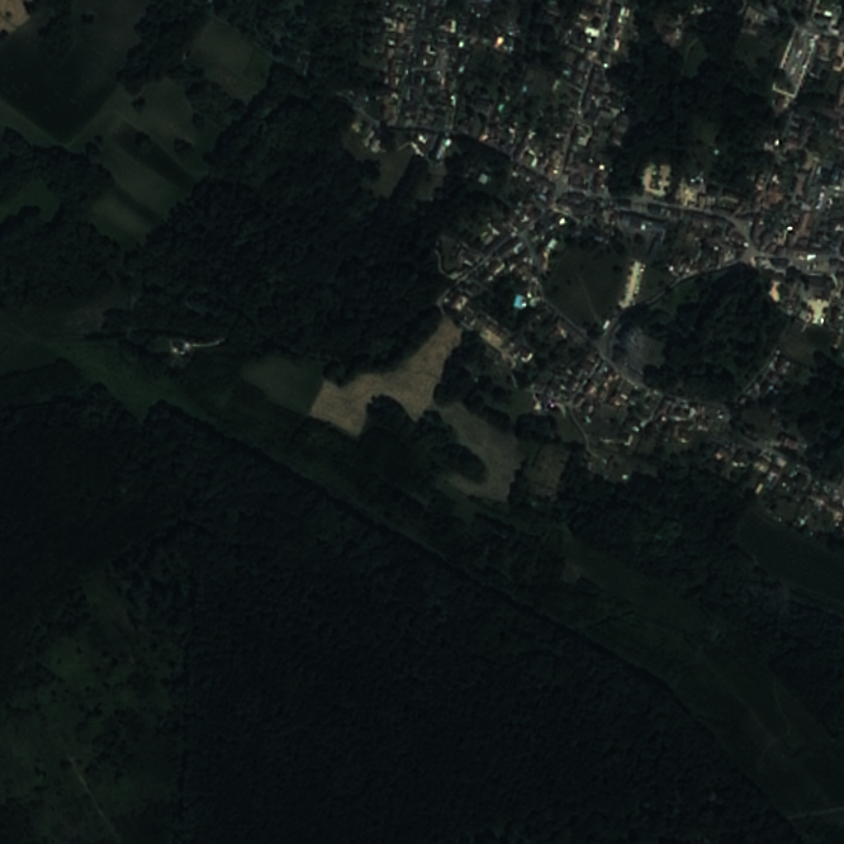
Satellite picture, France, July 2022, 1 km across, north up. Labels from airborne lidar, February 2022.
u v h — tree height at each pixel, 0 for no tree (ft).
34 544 42
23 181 58
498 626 54
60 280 91
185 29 55
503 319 49
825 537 41
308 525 92
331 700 73
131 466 58
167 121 0
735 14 61
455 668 62
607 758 77
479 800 61
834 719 72
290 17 24
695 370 109
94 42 0
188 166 0
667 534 77
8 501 49
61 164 82
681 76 49
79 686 0
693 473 31
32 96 0
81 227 64
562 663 90
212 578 96
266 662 87
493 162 55
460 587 91
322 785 44
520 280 20
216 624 80
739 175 44
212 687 79
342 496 0
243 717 67
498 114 24
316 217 81
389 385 0
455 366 52
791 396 27
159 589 115
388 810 61
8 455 44
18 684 41
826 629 67
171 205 0
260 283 61
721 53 62
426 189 0
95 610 0
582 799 80
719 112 72
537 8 45
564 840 93
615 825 102
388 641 73
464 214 50
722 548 75
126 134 0
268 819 48
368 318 84
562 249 0
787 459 57
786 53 0
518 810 70
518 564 25
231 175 59
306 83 65
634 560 77
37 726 0
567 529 0
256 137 78
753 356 36
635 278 0
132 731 31
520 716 44
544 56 35
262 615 84
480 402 68
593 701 72
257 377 0
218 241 68
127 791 0
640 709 70
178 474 85
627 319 29
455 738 65
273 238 73
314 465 0
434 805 69
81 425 59
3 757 0
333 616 84
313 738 66
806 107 47
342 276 104
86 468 41
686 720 57
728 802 77
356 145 0
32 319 25
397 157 0
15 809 31
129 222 0
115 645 0
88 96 0
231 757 57
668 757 68
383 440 25
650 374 55
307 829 60
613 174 30
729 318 89
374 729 68
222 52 0
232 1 52
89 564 44
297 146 89
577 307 0
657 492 80
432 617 107
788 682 82
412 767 72
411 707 59
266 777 64
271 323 86
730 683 0
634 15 0
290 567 96
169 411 60
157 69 28
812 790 0
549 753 71
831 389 32
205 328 24
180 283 42
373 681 63
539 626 59
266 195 44
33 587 57
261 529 111
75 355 0
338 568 90
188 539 107
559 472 0
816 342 0
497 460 0
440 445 55
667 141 76
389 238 82
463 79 28
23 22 0
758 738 0
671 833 55
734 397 25
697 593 65
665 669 0
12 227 67
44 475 49
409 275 75
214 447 80
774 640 85
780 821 72
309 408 0
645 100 80
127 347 50
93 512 38
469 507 0
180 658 0
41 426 43
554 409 22
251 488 100
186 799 63
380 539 83
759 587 73
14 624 58
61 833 0
